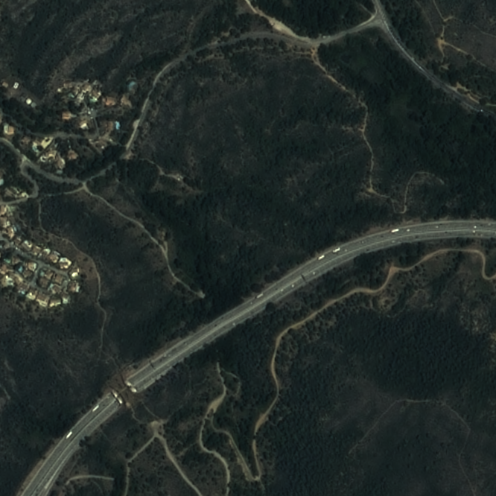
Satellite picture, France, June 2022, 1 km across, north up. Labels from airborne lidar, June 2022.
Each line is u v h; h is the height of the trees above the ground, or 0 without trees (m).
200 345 0
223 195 13
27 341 6
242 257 9
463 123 7
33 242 7
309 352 8
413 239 0
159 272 11
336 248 0
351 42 12
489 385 6
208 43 10
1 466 7
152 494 0
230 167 0
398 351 12
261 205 12
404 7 8
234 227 7
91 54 0
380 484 5
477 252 0
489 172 11
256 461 0
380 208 10
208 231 9
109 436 0
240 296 13
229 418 8
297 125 7
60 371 0
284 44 7
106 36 0
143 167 8
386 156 7
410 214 8
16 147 9
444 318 8
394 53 10
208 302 21
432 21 0
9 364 0
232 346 9
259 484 15
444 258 0
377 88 16
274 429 13
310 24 11
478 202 10
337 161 9
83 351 0
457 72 9
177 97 0
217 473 11
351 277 6
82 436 0
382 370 6
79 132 6
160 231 8
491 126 17
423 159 11
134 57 0
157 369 0
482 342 10
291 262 14
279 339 0
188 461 10
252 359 5
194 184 10
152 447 6
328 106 7
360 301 9
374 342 10
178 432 6
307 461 8
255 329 10
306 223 10
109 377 7
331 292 8
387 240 0
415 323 13
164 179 8
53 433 13
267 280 11
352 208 8
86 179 11
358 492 8
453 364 10
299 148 16
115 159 17
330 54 9
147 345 10
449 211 6
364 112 6
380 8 0
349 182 6
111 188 0
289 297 0
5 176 10
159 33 0
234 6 10
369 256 9
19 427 14
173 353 0
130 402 0
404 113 0
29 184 6
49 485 0
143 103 6
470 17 11
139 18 10
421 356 8
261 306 0
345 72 8
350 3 6
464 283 9
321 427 7
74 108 7
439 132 19
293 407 10
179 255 7
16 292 7
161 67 8
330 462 9
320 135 6
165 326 12
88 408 7
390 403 0
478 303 7
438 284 7
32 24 10
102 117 6
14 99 12
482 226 0
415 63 0
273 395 12
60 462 0
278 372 11
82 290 9
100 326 8
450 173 12
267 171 8
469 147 17
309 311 7
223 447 10
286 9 10
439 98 8
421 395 9
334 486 8
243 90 0
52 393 8
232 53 7
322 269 0
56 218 11
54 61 7
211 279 15
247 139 10
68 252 0
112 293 0
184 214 9
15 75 11
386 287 0
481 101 8
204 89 7
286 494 6
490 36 0
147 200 18
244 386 8
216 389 8
